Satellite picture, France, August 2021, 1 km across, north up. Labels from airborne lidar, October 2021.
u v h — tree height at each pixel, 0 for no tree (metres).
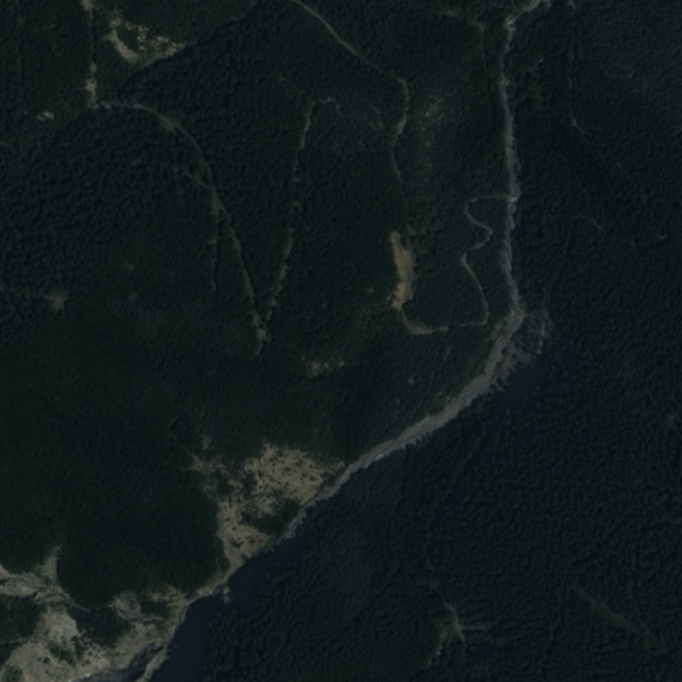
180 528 20
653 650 8
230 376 25
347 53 22
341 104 17
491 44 13
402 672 20
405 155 24
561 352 8
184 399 15
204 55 21
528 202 22
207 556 20
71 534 17
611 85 14
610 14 14
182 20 17
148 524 21
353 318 23
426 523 28
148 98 18
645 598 18
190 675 0
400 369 11
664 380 22
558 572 21
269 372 20
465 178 14
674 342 34
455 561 19
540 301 8
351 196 20
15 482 26
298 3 6
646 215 27
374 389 18
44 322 18
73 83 16
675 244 20
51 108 6
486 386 0
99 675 0
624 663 23
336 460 6
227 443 13
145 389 17
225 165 24
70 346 18
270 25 18
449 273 10
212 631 15
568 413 26
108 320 18
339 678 20
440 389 6
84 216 27
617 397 21
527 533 23
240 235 21
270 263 12
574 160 10
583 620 26
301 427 11
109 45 13
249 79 14
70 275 18
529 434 18
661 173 16
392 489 13
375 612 28
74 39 20
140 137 25
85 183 29
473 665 8
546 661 21
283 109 16
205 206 26
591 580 20
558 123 23
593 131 9
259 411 18
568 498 28
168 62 23
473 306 9
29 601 6
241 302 14
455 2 18
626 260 24
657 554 12
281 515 10
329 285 18
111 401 16
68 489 23
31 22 23
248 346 18
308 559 13
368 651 22
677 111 14
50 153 24
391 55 22
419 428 0
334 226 24
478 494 30
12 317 20
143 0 23
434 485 23
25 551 24
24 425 21
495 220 12
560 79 20
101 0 15
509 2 13
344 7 18
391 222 17
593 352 16
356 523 18
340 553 10
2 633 19
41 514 16
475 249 7
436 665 10
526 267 15
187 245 20
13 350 17
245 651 18
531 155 11
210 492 6
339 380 19
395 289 10
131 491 23
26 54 20
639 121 18
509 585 22
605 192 15
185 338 19
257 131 14
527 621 17
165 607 8
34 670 0
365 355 16
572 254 21
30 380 19
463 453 23
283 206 28
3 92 21
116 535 26
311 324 21
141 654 0
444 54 17
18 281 18
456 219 13
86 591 25
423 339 11
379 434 7
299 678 18
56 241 15
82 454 23
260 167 20
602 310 16
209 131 24
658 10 15
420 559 21
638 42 16
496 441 23
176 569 16
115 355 25
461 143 18
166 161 26
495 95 16
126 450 29
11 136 22
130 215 23
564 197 22
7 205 25
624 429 24
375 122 12
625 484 22
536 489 24
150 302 20
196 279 22
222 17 16
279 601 25
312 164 24
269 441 7
